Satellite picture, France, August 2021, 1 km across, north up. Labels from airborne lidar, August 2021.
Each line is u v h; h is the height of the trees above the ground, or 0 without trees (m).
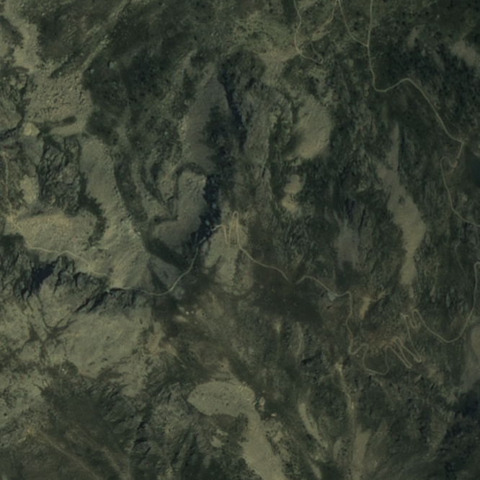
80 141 0
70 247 0
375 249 0
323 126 0
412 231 0
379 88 0
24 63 0
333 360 0
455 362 0
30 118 0
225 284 0
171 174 0
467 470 0
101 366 0
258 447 0
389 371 0
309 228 0
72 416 0
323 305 0
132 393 0
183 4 0
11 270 0
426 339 0
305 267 0
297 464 0
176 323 0
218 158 0
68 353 0
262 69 0
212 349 0
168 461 0
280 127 0
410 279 0
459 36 0
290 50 0
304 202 0
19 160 0
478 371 0
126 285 0
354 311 0
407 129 0
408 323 0
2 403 0
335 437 0
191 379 0
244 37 0
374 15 0
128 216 0
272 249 0
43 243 0
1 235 0
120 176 0
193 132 0
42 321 0
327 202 0
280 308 0
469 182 0
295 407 0
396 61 7
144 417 0
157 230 0
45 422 0
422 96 0
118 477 0
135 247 0
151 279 0
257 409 0
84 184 0
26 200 0
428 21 0
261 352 0
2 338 0
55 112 0
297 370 0
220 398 0
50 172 0
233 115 0
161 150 0
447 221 0
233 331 0
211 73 0
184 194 0
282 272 0
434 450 0
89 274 0
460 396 0
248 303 0
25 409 0
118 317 0
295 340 0
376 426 0
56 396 0
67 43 0
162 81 0
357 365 0
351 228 0
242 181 0
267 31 0
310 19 0
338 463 0
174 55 0
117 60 0
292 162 0
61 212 0
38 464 0
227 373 0
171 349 0
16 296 0
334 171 0
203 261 0
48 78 0
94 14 0
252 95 0
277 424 0
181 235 0
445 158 0
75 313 0
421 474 0
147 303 0
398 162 0
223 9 0
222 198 0
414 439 0
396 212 0
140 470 0
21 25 0
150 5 0
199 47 0
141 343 0
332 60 0
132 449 0
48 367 0
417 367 0
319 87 0
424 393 0
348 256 0
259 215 0
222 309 0
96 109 0
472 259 0
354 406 0
